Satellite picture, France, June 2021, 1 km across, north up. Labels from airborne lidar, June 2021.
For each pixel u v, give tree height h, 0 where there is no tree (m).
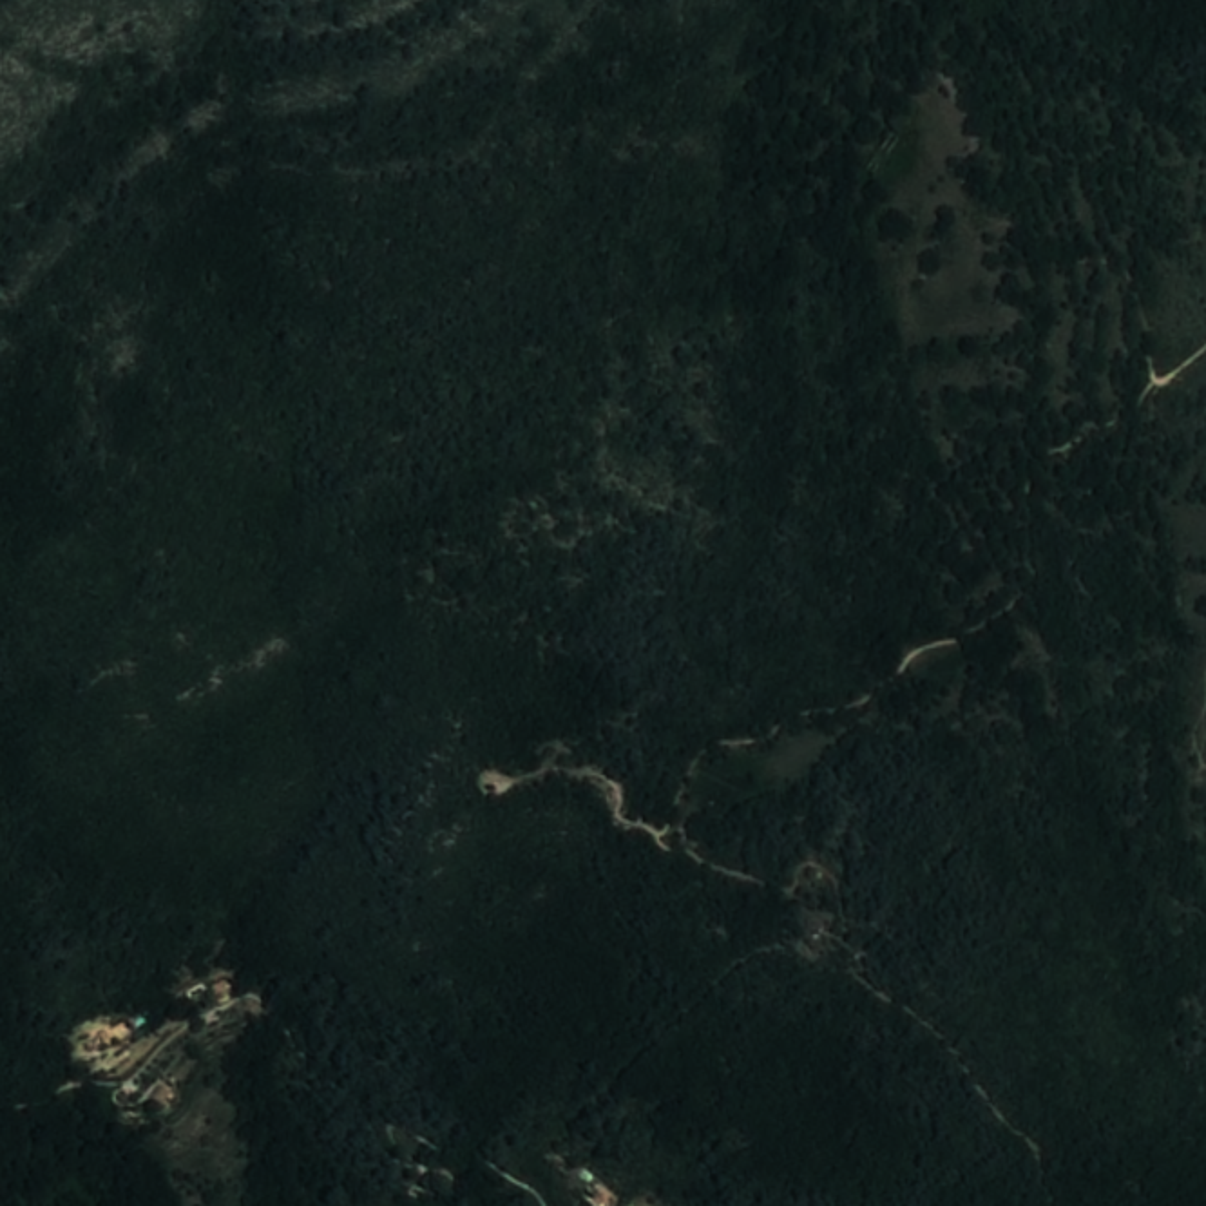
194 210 10
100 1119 17
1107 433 8
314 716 11
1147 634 7
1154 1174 14
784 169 15
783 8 12
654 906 13
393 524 11
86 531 8
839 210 18
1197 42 16
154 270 8
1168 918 9
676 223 13
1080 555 11
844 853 14
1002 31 11
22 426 13
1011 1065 11
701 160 7
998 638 12
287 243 9
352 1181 13
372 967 10
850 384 12
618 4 8
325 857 6
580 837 7
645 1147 5
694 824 13
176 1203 13
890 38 16
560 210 7
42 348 10
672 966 14
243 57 8
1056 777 13
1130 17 12
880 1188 15
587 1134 16
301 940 7
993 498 10
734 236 11
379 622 12
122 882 14
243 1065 17
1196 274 7
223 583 8
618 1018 17
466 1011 11
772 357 11
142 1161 16
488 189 12
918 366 10
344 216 8
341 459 6
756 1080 13
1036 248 17
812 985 7
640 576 16
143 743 9
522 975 16
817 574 8
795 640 7
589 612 12
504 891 10
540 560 10
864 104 15
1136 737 14
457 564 6
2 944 24
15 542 14
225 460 7
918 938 11
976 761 13
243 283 14
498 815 8
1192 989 9
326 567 8
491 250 8
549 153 6
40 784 13
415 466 5
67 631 8
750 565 10
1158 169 8
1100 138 10
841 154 17
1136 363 13
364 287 7
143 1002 13
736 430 7
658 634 14
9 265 7
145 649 7
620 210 6
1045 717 11
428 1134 16
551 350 7
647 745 15
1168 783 14
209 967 8
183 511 8
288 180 8
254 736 11
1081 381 12
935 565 9
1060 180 9
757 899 12
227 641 7
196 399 14
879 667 14
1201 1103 6
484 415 14
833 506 9
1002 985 7
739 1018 11
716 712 7
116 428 8
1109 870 13
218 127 7
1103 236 14
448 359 6
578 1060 11
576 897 14
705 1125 11
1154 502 13
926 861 14
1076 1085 10
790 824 8
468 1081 23
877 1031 8
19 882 11
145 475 6
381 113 6
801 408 13
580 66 10
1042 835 9
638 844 10
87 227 9
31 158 7
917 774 15
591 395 10
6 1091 15
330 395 7
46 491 13
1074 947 9
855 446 14
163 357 7
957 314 0
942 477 12
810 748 0
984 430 10
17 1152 21
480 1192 18
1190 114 7
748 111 13
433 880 6
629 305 7
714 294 7
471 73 13
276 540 16
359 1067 19
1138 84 12
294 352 8
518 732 11
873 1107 12
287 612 13
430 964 10
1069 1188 13
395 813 14
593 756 8
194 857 11
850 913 9
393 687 9
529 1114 17
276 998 20
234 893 16
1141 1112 9
